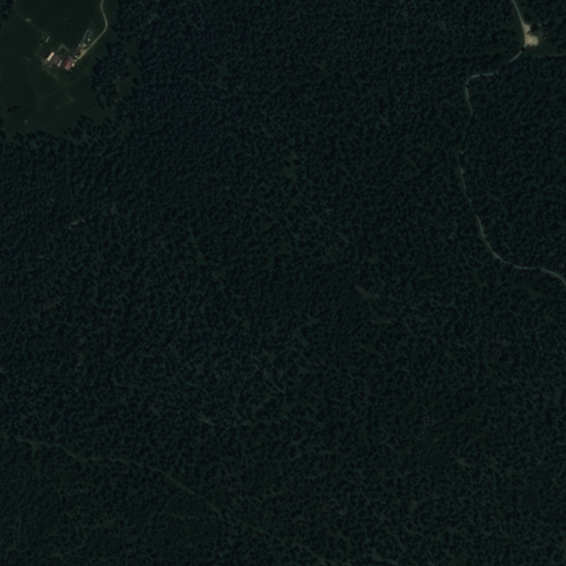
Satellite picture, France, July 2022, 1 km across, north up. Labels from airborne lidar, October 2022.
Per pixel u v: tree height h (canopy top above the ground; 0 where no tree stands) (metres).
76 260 31
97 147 19
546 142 15
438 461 9
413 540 22
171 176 15
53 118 0
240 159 23
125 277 11
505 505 14
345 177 25
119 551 7
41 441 28
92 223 23
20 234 28
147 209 20
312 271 16
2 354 26
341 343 15
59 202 23
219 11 22
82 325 33
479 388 8
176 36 21
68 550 7
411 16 22
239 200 8
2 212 21
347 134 10
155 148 9
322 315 10
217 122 14
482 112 18
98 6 0
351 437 15
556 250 25
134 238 23
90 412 11
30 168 21
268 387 11
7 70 0
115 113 0
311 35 16
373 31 15
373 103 19
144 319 28
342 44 13
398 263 16
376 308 16
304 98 26
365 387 22
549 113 15
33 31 0
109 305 22
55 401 18
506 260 9
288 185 24
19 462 8
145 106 20
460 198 19
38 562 8
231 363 29
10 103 0
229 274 10
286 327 12
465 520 18
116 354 18
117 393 28
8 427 17
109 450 16
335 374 19
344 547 15
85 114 0
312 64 19
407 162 24
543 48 0
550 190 13
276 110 17
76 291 8
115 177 12
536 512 8
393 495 6
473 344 28
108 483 22
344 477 7
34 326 28
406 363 28
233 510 24
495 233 12
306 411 8
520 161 16
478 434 7
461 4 26
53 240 17
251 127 15
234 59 31
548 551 6
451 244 22
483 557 22
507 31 12
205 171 20
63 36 0
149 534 6
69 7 0
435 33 18
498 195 22
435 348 22
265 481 15
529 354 19
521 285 11
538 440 16
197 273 5
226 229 17
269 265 10
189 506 7
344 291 16
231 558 12
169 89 28
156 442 28
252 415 18
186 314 22
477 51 11
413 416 7
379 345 18
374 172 9
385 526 23
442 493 14
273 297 6
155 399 24
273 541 17
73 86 0
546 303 14
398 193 16
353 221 18
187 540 9
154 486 18
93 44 0
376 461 23
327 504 10
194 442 19
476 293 12
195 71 24
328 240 14
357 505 26
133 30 19
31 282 29
